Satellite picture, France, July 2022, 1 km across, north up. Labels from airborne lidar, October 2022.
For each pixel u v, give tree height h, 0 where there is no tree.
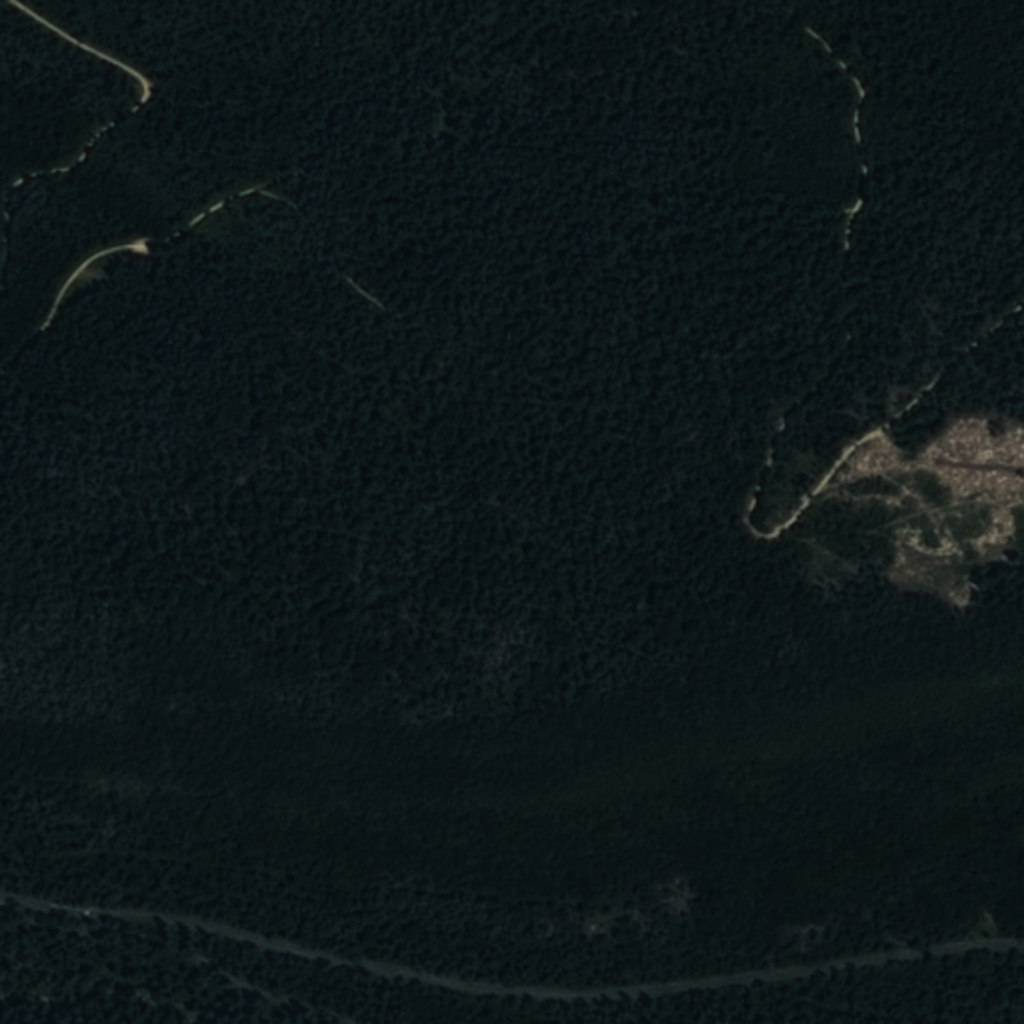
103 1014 18
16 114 11
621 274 9
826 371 20
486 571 16
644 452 18
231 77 11
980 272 23
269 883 22
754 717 7
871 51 23
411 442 7
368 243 22
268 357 7
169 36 13
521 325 18
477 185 24
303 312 21
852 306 19
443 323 21
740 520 17
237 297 26
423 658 18
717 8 16
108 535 6
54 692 20
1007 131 15
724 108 10
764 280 16
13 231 23
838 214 21
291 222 19
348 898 20
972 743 14
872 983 14
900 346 13
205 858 8
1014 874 20
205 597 16
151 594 17
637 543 16
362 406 27
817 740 9
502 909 18
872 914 15
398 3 14
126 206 8
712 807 14
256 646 10
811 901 17
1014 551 0
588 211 19
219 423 24
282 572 16
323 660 18
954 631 12
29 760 14
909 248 13
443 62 17
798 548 9
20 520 19
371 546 10
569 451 19
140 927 10
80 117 10
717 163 23
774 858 18
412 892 13
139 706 11
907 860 15
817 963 16
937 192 17
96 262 0
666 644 19
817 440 6
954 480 0
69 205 10
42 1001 9
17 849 7
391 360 16
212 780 11
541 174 28
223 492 20
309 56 21
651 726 10
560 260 16
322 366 27
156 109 10
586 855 13
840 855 19
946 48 17
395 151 23
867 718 6
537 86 23
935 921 21
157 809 12
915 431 19
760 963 16
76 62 25
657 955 21
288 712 14
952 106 18
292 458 20
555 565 17
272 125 12
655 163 18
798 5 16
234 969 26
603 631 10
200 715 16
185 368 30
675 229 31
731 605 19
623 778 7
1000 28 15
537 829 13
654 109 25
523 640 23
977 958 22
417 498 19
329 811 8
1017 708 9
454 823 14
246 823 13
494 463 24
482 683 15
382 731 10
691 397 21
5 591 8
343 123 28
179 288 26
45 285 15
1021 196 9
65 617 17
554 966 16
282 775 10
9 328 17
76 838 7
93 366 13
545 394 25
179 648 8
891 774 14
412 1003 25
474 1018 18
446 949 12
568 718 12
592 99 23
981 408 8
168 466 19
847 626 10
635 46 19
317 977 24
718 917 16
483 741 9
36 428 24
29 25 11
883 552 7
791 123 6
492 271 20
